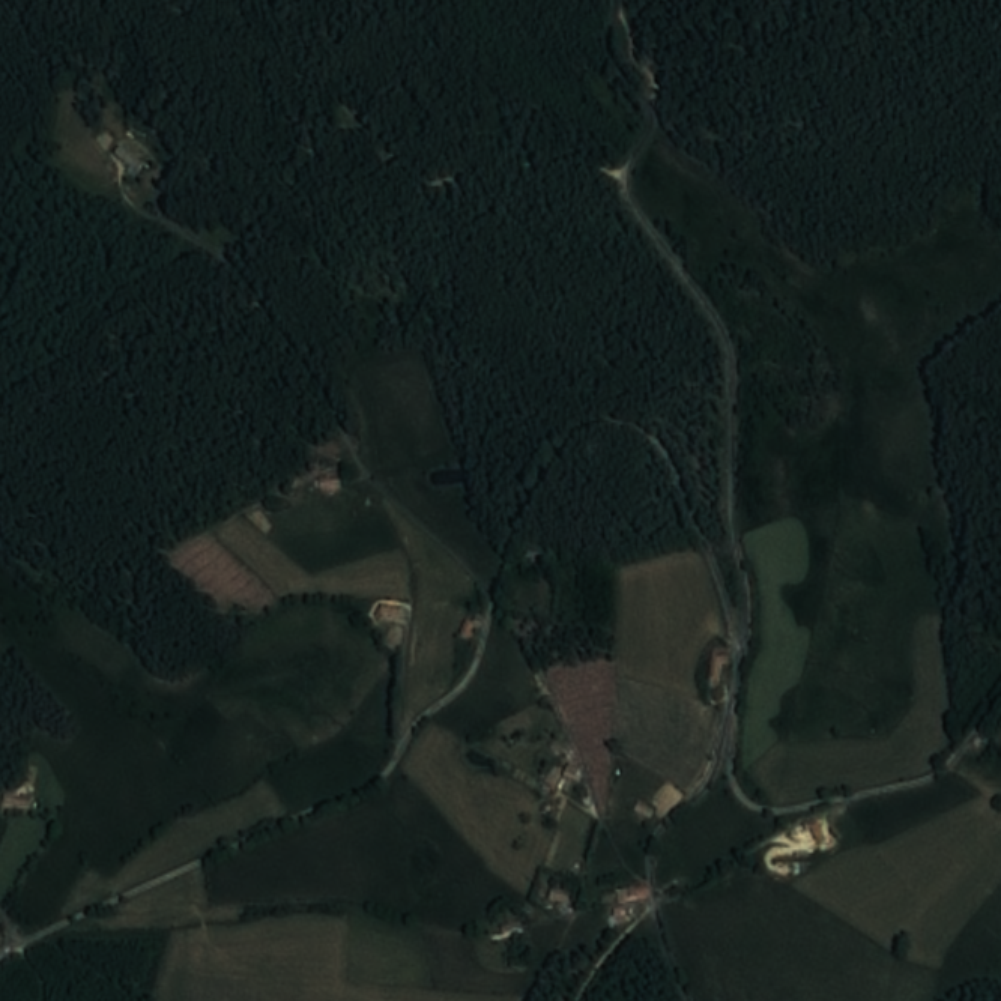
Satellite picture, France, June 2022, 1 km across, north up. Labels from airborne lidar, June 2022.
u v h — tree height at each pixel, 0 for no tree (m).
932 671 0
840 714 0
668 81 28
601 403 25
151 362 26
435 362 17
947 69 24
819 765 0
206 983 0
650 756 0
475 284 23
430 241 20
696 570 0
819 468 0
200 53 27
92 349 27
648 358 13
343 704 0
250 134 27
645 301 26
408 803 0
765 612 0
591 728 0
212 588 0
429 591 0
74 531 22
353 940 0
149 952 13
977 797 0
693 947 0
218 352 26
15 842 0
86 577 26
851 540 0
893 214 19
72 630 0
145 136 0
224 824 0
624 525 27
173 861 0
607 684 0
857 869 0
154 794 0
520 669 0
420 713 0
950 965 0
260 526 0
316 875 0
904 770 0
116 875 0
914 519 0
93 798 0
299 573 0
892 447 0
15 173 18
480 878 0
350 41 26
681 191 0
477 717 0
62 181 27
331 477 0
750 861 21
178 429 21
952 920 0
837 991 0
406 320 27
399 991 0
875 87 28
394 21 25
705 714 0
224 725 0
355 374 0
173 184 32
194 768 0
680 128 16
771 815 15
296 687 0
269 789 0
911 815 0
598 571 9
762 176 25
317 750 0
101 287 29
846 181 24
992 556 34
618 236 13
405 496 0
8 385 24
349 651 0
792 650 0
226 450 26
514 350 26
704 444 27
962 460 25
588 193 25
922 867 0
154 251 28
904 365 0
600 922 0
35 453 21
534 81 24
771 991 0
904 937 10
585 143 23
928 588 0
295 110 25
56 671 0
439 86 21
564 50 15
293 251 26
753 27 21
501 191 21
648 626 0
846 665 0
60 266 26
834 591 0
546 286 23
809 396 11
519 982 0
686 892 12
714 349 23
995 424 19
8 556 13
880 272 0
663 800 0
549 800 0
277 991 0
